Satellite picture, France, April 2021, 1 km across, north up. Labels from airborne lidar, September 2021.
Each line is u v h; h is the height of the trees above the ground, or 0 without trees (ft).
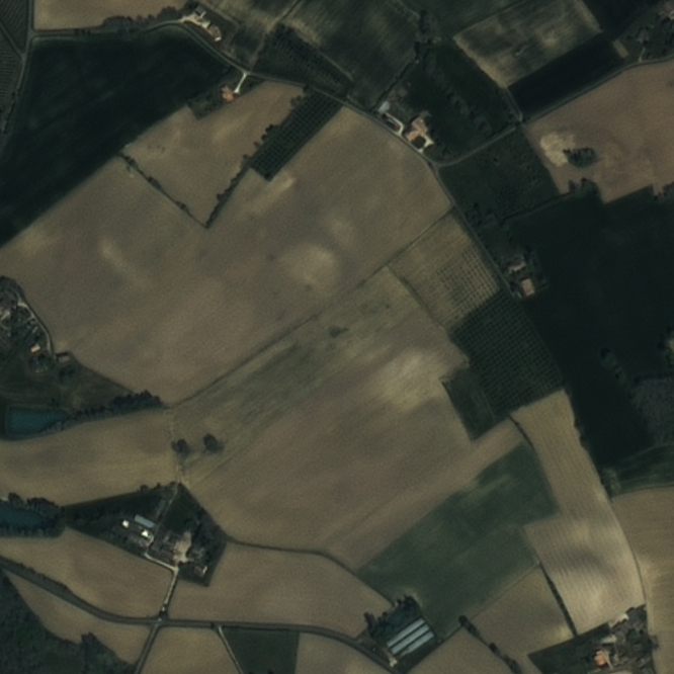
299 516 0
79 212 0
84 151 0
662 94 0
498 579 0
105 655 55
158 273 0
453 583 0
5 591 89
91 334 0
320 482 0
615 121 0
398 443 0
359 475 0
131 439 0
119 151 0
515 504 0
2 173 0
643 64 0
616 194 0
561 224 0
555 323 0
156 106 0
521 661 0
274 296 0
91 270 0
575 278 0
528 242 0
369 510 0
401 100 28
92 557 0
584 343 0
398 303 0
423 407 0
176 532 22
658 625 0
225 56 0
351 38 0
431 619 0
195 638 0
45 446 0
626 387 36
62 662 0
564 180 0
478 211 27
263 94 0
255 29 0
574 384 0
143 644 0
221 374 0
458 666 0
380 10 0
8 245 0
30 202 0
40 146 0
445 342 0
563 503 0
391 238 0
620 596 0
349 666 0
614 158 0
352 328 0
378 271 0
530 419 0
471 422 0
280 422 0
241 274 0
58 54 0
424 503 0
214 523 44
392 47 0
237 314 0
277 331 0
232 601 0
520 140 28
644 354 0
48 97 0
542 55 0
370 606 0
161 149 0
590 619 0
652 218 0
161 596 0
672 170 0
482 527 0
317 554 0
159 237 0
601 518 0
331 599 0
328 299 0
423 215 0
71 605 0
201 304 0
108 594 0
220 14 0
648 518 0
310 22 0
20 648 87
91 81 0
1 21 0
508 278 20
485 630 0
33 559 0
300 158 0
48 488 0
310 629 0
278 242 0
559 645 0
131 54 0
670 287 0
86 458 0
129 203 0
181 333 0
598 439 0
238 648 0
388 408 0
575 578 0
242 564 0
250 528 0
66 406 0
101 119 0
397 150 0
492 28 0
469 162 0
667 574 0
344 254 0
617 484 0
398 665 0
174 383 0
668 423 64
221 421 0
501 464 0
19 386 0
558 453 0
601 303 0
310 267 0
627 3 0
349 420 0
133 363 0
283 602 0
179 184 0
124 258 0
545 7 0
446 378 0
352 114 0
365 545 0
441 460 0
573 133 0
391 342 0
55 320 0
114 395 0
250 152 0
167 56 0
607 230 0
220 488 0
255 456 0
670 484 0
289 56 24
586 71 0
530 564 0
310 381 0
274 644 0
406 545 0
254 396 0
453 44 23
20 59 0
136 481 0
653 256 0
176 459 0
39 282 0
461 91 0
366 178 0
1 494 0
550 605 0
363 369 0
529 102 0
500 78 0
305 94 23
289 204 0
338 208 0
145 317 0
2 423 0
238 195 0
